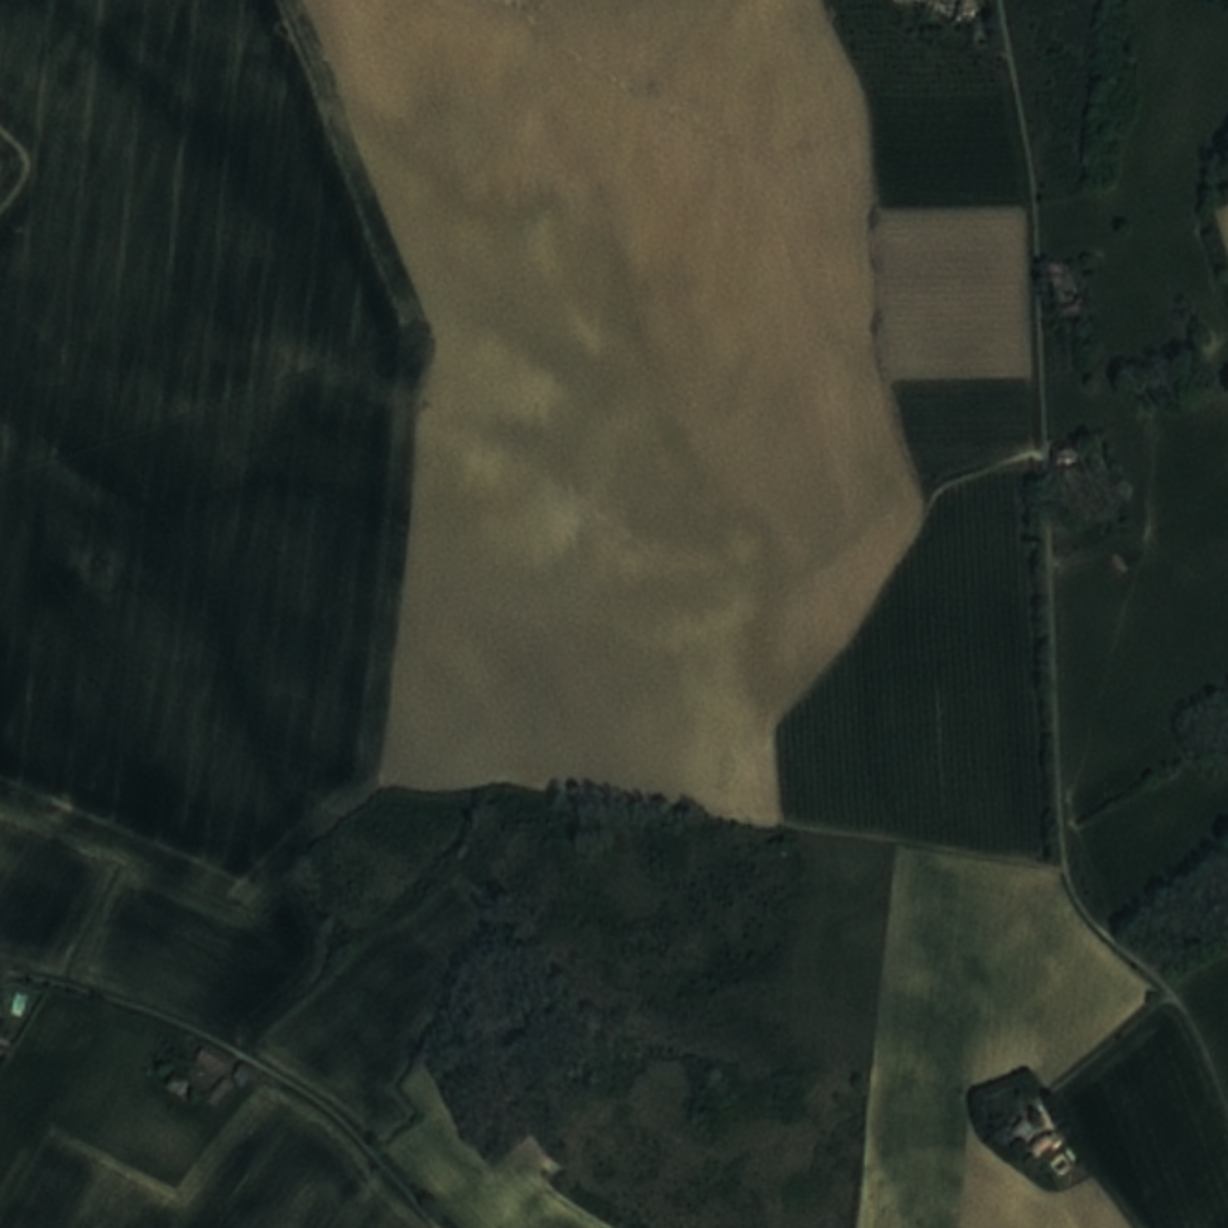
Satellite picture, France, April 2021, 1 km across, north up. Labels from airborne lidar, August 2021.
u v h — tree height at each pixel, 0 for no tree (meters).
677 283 0
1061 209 0
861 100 0
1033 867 0
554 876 0
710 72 0
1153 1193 0
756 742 0
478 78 0
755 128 0
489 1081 19
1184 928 19
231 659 0
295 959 0
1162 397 19
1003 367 0
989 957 0
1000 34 13
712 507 0
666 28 0
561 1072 16
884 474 0
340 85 0
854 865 0
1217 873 20
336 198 0
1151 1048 0
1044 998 0
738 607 0
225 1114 0
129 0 0
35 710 0
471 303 0
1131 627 0
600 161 0
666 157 0
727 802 0
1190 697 0
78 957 0
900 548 0
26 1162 0
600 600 0
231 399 0
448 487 0
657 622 0
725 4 0
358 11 0
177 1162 0
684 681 0
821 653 0
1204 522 0
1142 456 0
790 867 0
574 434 0
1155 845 0
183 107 0
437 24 0
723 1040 0
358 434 0
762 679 0
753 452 0
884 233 0
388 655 0
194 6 0
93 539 0
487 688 0
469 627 0
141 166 0
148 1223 0
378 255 0
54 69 0
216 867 0
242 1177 0
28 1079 0
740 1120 0
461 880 0
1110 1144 0
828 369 0
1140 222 0
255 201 0
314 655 0
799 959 0
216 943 0
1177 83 0
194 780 0
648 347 0
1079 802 0
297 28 0
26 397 0
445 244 0
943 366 0
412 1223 0
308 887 19
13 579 0
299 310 0
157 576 0
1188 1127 0
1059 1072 0
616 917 0
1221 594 0
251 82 0
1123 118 14
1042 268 11
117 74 0
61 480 0
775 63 0
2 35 0
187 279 0
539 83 0
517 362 0
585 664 0
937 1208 0
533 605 0
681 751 0
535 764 0
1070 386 0
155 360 0
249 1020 0
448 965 0
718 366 0
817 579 0
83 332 0
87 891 0
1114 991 0
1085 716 0
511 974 21
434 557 0
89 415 0
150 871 0
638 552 0
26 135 0
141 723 0
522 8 0
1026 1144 12
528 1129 14
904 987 0
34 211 0
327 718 0
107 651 0
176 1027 0
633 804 9
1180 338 0
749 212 0
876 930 0
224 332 0
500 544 0
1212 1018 0
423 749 0
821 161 0
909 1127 0
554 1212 0
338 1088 0
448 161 0
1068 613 0
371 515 0
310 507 0
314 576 0
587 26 0
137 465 0
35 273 0
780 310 0
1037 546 13
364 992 0
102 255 0
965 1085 0
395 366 0
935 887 0
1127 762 0
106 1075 0
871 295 0
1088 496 19
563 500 0
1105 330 0
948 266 0
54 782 0
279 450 0
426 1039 10
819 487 0
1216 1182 0
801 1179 0
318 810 0
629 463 0
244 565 0
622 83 0
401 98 0
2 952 0
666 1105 0
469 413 0
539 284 0
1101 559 0
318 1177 0
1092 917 0
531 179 0
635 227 0
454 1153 0
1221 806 0
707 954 0
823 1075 0
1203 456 0
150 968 0
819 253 0
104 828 0
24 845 0
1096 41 8
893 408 0
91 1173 0
